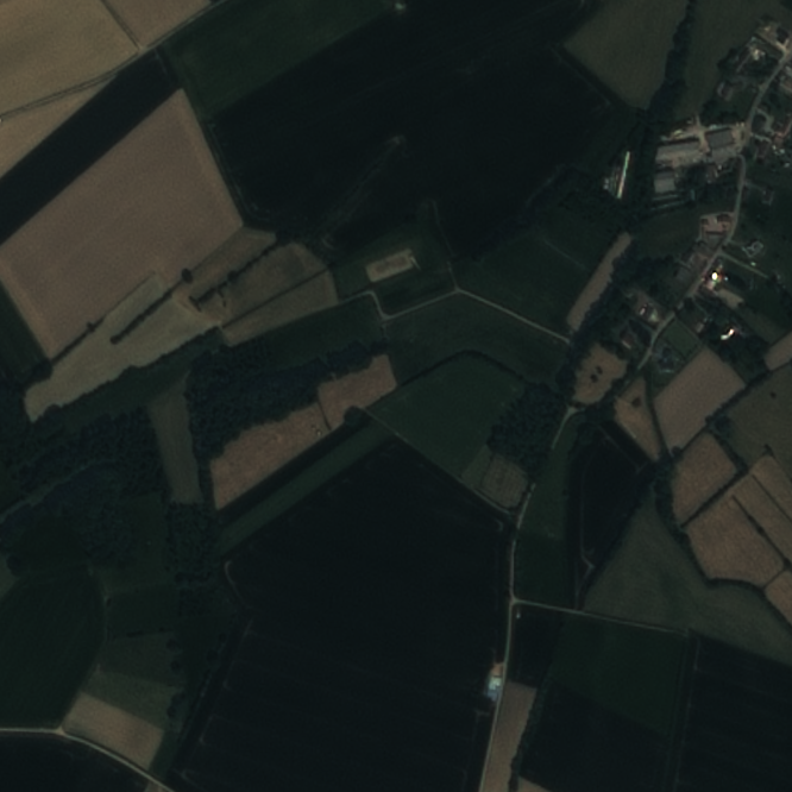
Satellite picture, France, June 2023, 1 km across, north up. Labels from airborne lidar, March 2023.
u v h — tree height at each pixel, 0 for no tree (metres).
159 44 0
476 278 0
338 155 0
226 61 0
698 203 6
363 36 0
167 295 6
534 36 0
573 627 0
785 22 0
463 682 0
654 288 20
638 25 0
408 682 0
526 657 0
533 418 17
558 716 0
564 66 0
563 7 0
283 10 0
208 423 7
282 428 0
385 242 0
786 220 0
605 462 0
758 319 0
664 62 0
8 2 0
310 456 0
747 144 0
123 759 0
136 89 0
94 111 0
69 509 20
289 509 0
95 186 0
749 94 0
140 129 0
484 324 0
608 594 0
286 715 0
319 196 0
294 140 0
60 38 0
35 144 0
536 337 0
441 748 0
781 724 0
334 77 0
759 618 0
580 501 0
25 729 0
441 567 0
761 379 9
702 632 0
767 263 0
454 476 0
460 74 0
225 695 0
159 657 0
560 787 0
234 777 0
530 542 0
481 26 0
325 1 0
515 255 0
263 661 0
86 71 0
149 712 0
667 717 0
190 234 0
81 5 0
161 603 0
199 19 0
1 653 0
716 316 15
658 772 0
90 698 0
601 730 0
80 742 0
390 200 0
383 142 0
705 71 0
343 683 0
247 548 0
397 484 0
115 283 0
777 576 0
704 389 0
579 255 0
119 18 0
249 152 0
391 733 0
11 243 0
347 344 0
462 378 0
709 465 0
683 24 7
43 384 0
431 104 0
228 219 0
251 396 19
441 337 0
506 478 0
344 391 0
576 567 0
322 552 0
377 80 0
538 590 0
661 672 0
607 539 0
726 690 0
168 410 0
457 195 0
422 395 0
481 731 0
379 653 0
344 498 0
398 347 0
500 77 0
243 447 0
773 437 0
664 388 0
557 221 0
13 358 0
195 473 0
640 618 0
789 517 0
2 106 0
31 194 0
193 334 0
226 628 0
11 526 19
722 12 0
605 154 0
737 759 0
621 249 0
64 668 0
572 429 0
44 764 0
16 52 0
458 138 0
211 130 0
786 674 0
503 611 0
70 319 0
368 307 0
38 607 0
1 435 26
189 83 0
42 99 0
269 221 0
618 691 0
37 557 0
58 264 0
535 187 0
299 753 0
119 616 0
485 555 0
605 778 0
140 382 0
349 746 0
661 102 27
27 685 0
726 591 0
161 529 0
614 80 0
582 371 0
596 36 0
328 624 0
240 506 0
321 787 0
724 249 6
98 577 0
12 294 0
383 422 0
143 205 0
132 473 16
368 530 0
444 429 0
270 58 0
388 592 0
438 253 0
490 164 0
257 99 0
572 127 0
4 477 0
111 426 22
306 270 0
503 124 0
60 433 13
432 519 0
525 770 0
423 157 0
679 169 0
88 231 0
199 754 0
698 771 0
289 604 0
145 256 0
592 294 0
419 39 0
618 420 0
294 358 0
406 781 0
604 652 0
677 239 0
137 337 0
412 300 0
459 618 0
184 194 0
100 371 0
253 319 0
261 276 0
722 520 0
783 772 0
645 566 0
